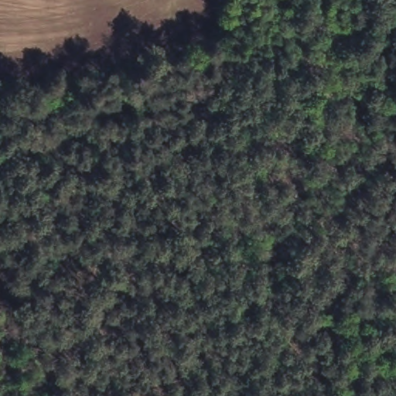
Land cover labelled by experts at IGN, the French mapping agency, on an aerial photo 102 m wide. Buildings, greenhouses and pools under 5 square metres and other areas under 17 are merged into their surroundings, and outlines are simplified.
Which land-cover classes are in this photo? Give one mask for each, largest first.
<instances>
[{"label":"coniferous trees","instance_id":"1","mask_svg":"<svg viewBox=\"0 0 396 396\"><path fill-rule=\"evenodd\" d=\"M362 11L351 15L350 19L353 32L337 34L331 46L326 49L325 59L320 65L311 63L308 54H303L297 45H289L286 49L274 45V57L269 59L263 54L254 53L249 62H224L221 65H209L204 71L192 68L184 73L181 71L184 63H162L161 67H152V76L141 80L139 84H135L127 76H122L121 79L118 76H111L102 91L97 90L94 80L82 79L80 90L74 94L65 90L67 85L59 84L48 96L43 88L29 82V76H19L8 82L0 80V396H396V0H360ZM360 345L381 348L382 354L373 362L360 365L359 377L351 381L345 374L343 360Z\"/></svg>","mask_w":396,"mask_h":396},{"label":"agricultural land","instance_id":"2","mask_svg":"<svg viewBox=\"0 0 396 396\"><path fill-rule=\"evenodd\" d=\"M230 0H0V80L8 82L19 76H29V82L43 88L48 96L59 84L67 85L65 90L74 94L80 90L82 79L94 80L97 90L102 91L111 76H118L121 79L122 76H127L135 84H139L141 80L152 76V67H161L162 63H184L189 62V57L196 49H203L207 56H215L220 51L221 43L229 40L234 34L221 25V19L229 12Z\"/></svg>","mask_w":396,"mask_h":396},{"label":"deciduous trees","instance_id":"3","mask_svg":"<svg viewBox=\"0 0 396 396\"><path fill-rule=\"evenodd\" d=\"M362 11L360 0H230L229 12L221 19V25L234 34L229 40L221 43L220 51L215 56H207L203 49H196L189 57V62L184 63L181 71L184 73L192 68L204 71L209 65H221L224 62H249L254 53L263 54L269 59L274 57V45L286 49L289 45H297L303 54H308L311 63L320 65L325 59L326 49L331 46L337 34L353 32L350 19L351 15ZM382 354L381 348L360 345L343 360L345 374L351 381L359 377L360 365L373 362Z\"/></svg>","mask_w":396,"mask_h":396}]
</instances>
